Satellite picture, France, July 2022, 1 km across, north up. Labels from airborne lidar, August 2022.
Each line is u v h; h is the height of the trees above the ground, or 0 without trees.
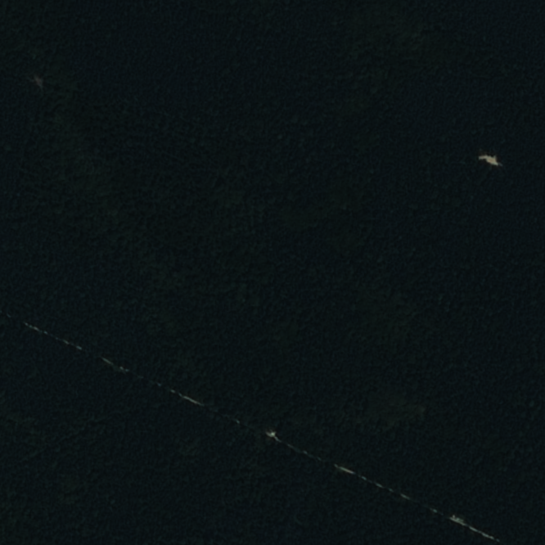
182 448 21
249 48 17
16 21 21
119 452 21
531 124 21
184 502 15
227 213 16
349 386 19
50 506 14
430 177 18
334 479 21
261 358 19
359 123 16
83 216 22
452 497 20
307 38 16
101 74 20
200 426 17
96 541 16
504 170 25
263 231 21
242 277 10
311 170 20
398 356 20
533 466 20
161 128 16
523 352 18
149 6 22
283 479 21
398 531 16
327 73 17
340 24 19
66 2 24
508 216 23
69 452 14
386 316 18
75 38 22
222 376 19
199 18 17
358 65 17
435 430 16
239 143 20
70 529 16
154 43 21
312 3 21
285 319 22
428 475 12
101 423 18
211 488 18
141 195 18
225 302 12
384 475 18
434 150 21
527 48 23
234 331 15
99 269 22
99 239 15
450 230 20
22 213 12
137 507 18
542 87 21
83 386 19
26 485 18
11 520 16
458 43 20
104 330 17
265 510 19
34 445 15
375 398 21
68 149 22
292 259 21
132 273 14
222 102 16
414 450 22
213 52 22
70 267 17
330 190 18
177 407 17
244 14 17
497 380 23
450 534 19
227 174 8
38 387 16
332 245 16
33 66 20
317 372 20
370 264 22
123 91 21
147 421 20
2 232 8
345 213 16
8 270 18
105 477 15
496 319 20
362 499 21
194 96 19
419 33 20
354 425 14
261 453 15
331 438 21
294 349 20
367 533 21
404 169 20
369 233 18
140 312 21
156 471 13
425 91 22
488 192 24
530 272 18
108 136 14
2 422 15
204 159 15
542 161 16
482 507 20
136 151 23
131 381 18
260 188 13
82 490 14
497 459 17
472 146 24
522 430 19
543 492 19
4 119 26
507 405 22
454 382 17
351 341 19
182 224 11
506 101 24
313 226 14
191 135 20
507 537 23
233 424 16
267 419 27
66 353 19
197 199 14
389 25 21
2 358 16
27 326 15
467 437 16
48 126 9
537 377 21
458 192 17
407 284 21
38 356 21
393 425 21
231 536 23
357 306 17
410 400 19
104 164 22
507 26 27
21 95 20
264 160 18
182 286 17
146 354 23
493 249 18
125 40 23
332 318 20
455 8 24
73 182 18
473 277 12
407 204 20
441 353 19
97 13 24
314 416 18
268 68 15
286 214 18
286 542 24
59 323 17
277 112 19
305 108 17
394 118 18
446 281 23
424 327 13
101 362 16
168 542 8
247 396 19
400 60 21
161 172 9
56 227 25
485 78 22
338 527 14
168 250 24
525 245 18
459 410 25
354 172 16
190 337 20
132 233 18
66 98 19
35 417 16
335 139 19
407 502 9
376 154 21
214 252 19
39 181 11
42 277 19
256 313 12
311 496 18
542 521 16
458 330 20
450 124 22
